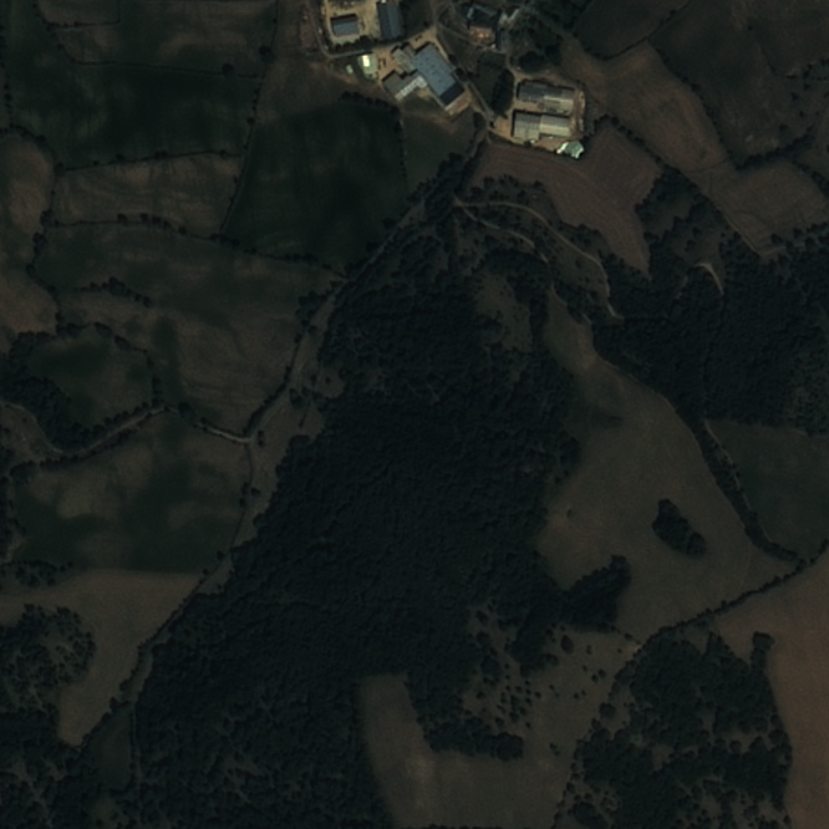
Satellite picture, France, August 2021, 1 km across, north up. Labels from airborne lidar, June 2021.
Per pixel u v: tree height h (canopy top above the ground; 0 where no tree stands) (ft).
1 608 0
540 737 0
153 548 0
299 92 0
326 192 0
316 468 52
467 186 24
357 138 0
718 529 0
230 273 0
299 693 43
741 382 44
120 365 0
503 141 0
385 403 45
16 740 40
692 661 39
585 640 0
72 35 0
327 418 40
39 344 39
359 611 40
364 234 0
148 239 0
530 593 36
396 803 0
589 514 0
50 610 0
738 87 0
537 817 0
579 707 0
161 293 0
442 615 45
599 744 30
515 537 38
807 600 0
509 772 0
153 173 0
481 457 47
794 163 19
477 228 21
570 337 0
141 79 0
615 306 35
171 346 0
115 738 0
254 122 36
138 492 0
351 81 0
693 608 0
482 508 39
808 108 0
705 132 0
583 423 0
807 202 0
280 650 49
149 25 0
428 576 45
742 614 0
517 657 35
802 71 0
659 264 45
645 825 31
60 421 45
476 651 39
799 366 24
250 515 0
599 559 0
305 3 0
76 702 0
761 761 51
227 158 30
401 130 37
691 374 55
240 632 47
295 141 0
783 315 42
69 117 0
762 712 45
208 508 0
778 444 0
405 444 48
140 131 0
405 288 25
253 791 48
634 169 0
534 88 0
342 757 40
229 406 0
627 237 0
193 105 0
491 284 0
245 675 54
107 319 0
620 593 34
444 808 0
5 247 0
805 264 48
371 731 0
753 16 0
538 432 39
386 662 43
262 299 0
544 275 31
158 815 42
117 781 0
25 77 0
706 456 31
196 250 0
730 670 42
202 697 53
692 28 0
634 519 0
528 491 30
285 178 0
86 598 0
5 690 41
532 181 0
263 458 0
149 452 0
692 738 35
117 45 0
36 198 0
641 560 0
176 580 0
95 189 0
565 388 20
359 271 35
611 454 0
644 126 0
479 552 41
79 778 34
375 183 0
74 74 0
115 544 0
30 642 31
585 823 41
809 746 0
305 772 33
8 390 53
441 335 54
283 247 0
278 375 0
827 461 0
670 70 26
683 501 0
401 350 31
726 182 0
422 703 40
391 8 0
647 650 24
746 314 48
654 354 46
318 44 0
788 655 0
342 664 49
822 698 0
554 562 0
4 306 0
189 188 0
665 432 0
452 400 39
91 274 0
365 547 52
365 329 38
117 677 0
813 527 0
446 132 0
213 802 46
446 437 52
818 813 0
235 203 43
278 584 41
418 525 47
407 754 0
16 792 39
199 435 0
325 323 0
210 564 0
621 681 31
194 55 0
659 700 33
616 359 41
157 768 37
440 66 0
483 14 21
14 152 0
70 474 0
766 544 32
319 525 48
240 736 42
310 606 26
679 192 39
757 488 0
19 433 0
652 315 31
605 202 0
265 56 46
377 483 47
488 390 39
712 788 29
